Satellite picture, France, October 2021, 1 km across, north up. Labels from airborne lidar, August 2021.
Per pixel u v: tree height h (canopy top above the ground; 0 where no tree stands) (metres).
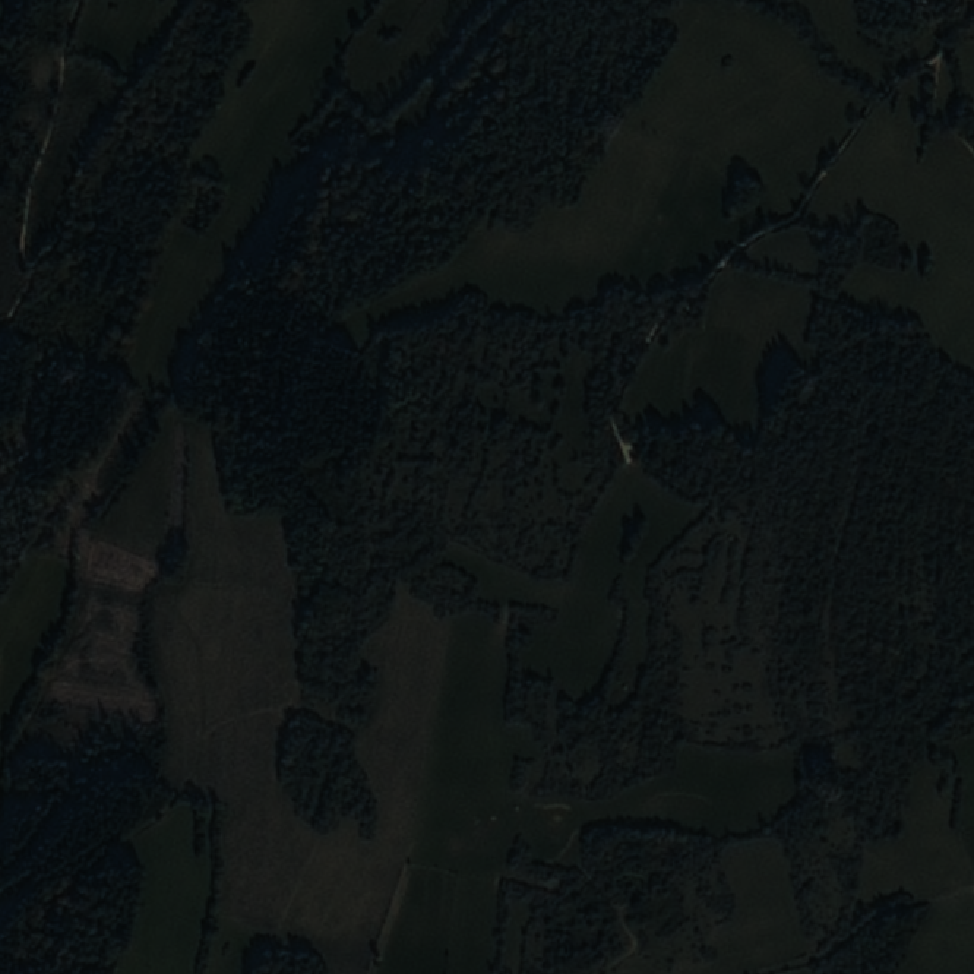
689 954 0
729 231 0
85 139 0
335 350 30
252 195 0
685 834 9
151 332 0
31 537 23
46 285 14
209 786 0
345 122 7
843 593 8
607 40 13
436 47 0
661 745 6
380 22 0
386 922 0
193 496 0
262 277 20
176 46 19
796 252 0
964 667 7
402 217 14
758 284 0
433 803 0
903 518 7
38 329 7
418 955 0
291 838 0
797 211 9
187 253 0
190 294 0
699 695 0
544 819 0
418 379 13
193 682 0
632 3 12
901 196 0
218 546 0
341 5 0
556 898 6
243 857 0
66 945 19
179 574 15
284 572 0
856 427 7
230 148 0
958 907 0
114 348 9
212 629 0
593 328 10
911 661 8
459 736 0
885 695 13
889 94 11
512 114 13
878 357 14
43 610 0
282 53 0
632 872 10
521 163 10
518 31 18
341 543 7
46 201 0
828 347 10
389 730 0
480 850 0
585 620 0
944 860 0
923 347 14
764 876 0
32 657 0
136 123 14
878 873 0
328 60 0
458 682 0
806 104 0
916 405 12
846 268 8
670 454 6
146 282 17
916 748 9
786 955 0
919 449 9
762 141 0
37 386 9
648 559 0
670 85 0
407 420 8
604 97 11
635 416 0
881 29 14
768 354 0
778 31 0
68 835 32
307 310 16
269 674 0
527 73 15
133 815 28
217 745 0
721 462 11
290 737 11
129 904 21
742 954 0
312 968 11
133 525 0
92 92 0
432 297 0
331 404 29
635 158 0
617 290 10
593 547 0
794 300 0
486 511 0
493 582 0
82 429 28
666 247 0
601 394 13
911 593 7
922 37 10
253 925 0
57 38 9
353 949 0
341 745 8
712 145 0
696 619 0
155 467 0
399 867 0
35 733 0
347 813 6
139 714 0
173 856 0
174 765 0
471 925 0
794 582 6
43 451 20
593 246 0
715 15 0
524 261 0
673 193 0
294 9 0
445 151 23
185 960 0
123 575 0
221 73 22
